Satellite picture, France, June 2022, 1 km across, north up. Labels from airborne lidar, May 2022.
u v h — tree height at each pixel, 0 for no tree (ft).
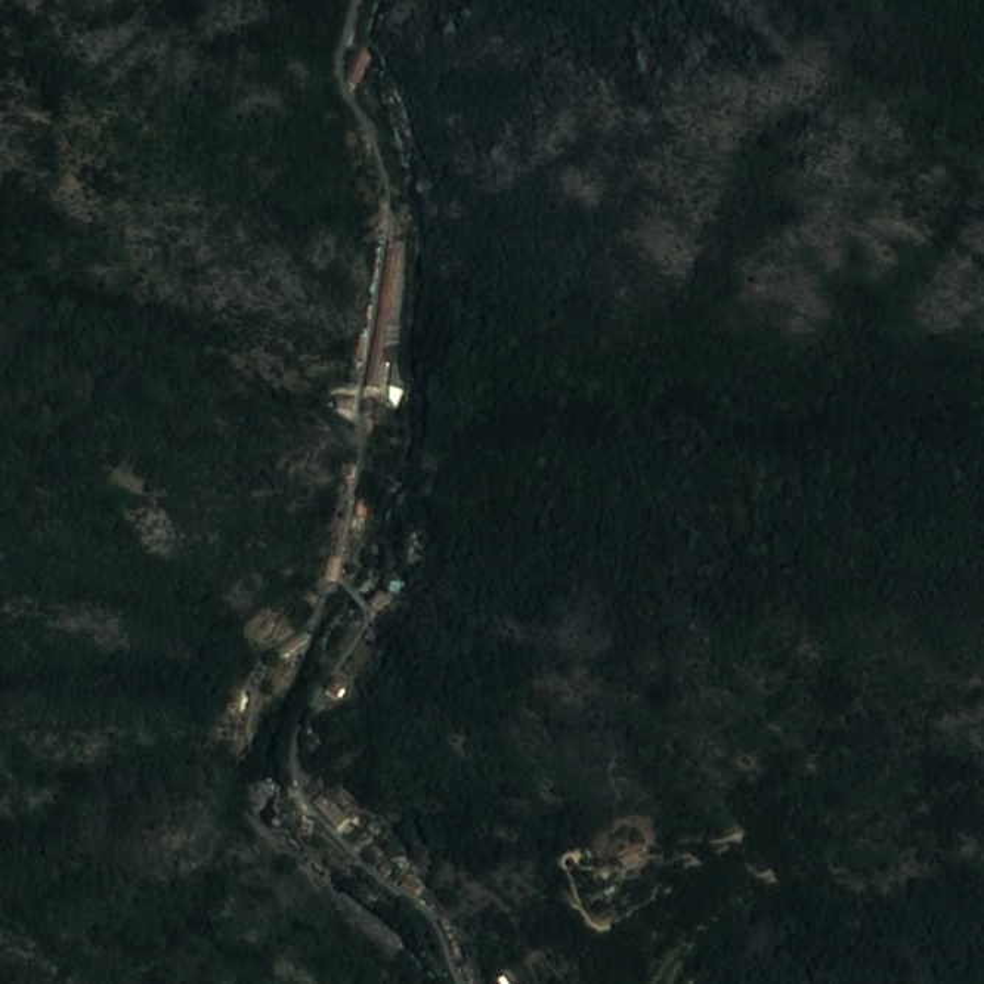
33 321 23
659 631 26
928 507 43
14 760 38
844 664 22
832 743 26
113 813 24
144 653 36
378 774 31
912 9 26
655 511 26
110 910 30
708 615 21
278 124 45
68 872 22
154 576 43
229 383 20
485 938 26
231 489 26
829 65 0
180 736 25
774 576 22
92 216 24
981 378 27
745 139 35
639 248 21
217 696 85
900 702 22
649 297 20
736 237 35
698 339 33
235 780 21
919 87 23
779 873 39
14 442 33
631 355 22
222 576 34
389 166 31
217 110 32
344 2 49
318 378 19
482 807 26
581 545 44
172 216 23
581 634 0
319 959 19
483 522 34
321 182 33
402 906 59
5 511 33
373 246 30
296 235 22
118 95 18
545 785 0
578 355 27
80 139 34
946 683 21
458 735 24
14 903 37
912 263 0
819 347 27
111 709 34
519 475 28
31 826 36
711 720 36
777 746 33
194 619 37
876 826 22
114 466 24
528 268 34
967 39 34
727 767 19
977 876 19
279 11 61
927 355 41
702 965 37
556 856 31
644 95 26
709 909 40
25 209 36
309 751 27
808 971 20
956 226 33
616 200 21
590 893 27
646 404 35
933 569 22
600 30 40
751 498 35
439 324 60
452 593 35
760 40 31
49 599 24
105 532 41
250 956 38
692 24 37
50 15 25
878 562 47
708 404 29
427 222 37
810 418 38
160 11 38
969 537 52
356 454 29
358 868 40
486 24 22
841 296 26
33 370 24
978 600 30
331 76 24
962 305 0
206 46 26
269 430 23
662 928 42
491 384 22
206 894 30
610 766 0
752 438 42
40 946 21
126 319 27
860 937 22
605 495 47
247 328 36
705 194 21
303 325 37
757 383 31
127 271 0
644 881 24
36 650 39
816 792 39
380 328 0
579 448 41
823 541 43
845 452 50
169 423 33
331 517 25
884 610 29
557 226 38
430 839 89
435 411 97
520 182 26
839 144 20
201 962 24
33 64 43
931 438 33
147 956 35
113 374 40
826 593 39
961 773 36
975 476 50
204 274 24
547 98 22
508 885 25
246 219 23
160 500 21
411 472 53
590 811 32
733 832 0
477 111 23
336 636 27
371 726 37
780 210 33
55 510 31
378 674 27
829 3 23
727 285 26
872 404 47
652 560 35
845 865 32
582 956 27
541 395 40
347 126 54
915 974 31
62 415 26
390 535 26
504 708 21
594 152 23
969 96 44
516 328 39
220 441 25
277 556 20
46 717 32
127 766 37
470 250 25
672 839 53
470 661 22
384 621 23
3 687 37
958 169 19
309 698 37
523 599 41
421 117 43
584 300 32
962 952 24
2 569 24
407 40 22
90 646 43
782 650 24
